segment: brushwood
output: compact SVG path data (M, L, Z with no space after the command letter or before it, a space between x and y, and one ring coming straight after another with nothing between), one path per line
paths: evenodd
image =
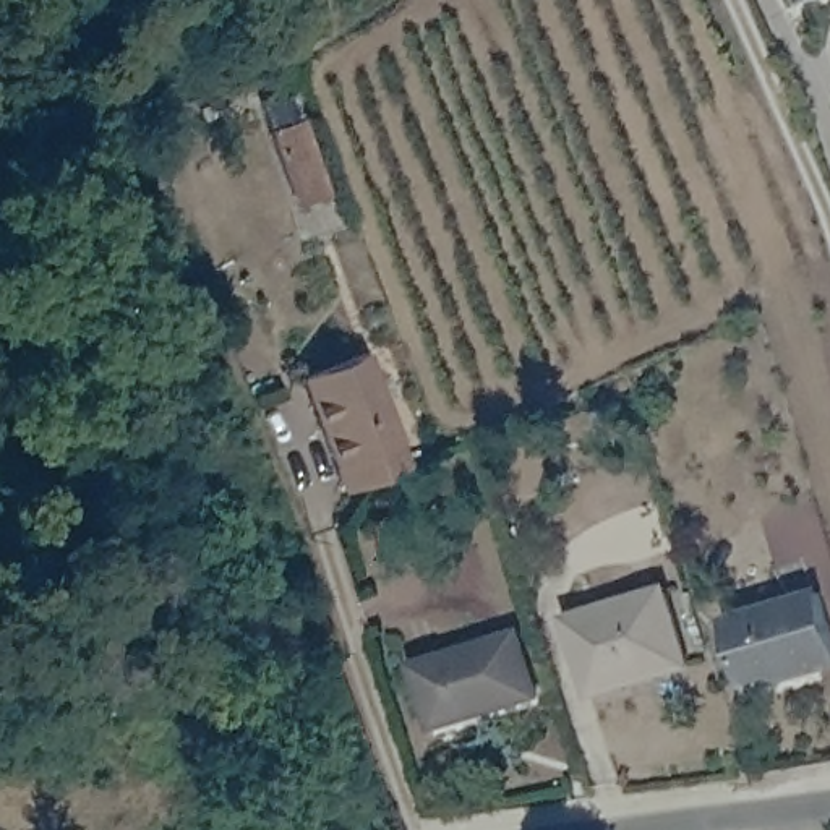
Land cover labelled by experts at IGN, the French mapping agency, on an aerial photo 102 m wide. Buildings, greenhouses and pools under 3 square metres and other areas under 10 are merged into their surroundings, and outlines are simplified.
M707 340L704 327L655 344L616 363L600 379L571 386L571 415L597 415L606 405L626 402L629 396L623 389L632 389L645 370L661 370L665 379L674 386L681 376L671 373L671 363L681 360L681 347Z
M279 68L292 68L302 62L308 62L311 68L327 52L347 45L350 39L389 19L409 0L314 0L311 13L305 13L305 39L298 39L292 55L276 55Z
M363 652L373 668L373 681L386 707L386 723L409 781L415 775L421 768L421 755L412 746L399 704L399 691L409 684L405 655L405 645L412 639L402 629L363 626Z
M807 139L807 146L814 149L817 162L820 162L820 165L824 165L824 169L830 172L830 130L824 126L824 130L817 130L814 130L814 133L811 133Z
M775 755L762 755L762 765L768 772L820 762L830 765L830 746L814 749L811 736L798 733L794 749L781 749Z
M704 781L729 781L746 775L733 749L707 749L700 768L629 778L623 788L635 794L687 788Z
M409 499L392 486L350 496L344 496L334 509L337 528L353 590L360 600L370 597L376 593L376 584L373 577L366 577L357 538L370 535L376 541L383 538L383 522L389 522L402 506L409 506Z
M321 159L334 185L334 204L344 224L360 224L360 204L350 191L331 126L318 107L305 107L308 123L314 130Z
M230 415L250 425L263 415L272 418L276 409L289 399L289 392L256 392L243 405L233 402Z
M791 720L830 723L830 674L817 684L785 691Z
M535 668L535 697L541 697L545 691L561 687L554 655L548 661L538 661Z
M587 794L593 794L593 775L580 749L564 762L564 772L548 778L551 788L522 791L522 798L512 801L512 807L525 811L545 801L567 804L574 781L587 788Z
M464 441L454 444L454 438L444 434L434 421L425 389L412 370L409 344L396 334L392 311L386 302L360 305L363 331L357 337L363 340L366 353L370 353L373 347L392 350L402 379L402 396L412 405L412 415L418 418L418 444L421 457L415 460L415 467L425 470L434 460L441 460L441 470L454 473L457 464L477 460L470 444Z

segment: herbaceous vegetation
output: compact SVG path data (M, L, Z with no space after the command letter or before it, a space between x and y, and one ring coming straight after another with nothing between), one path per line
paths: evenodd
M62 55L62 62L55 65L58 71L97 71L104 58L120 55L123 29L143 26L146 16L156 13L156 0L107 0L107 13L81 26L81 42Z
M376 584L376 593L370 597L376 610L363 626L402 629L412 639L405 645L405 655L418 658L493 632L512 632L519 626L516 616L509 616L509 584L503 577L490 522L477 522L460 567L447 571L444 580L434 584L421 584L418 574L392 577L379 564L376 541L370 535L357 538L366 577L373 577Z
M558 736L545 733L545 739L532 752L525 752L528 772L506 772L509 788L503 798L512 801L522 798L522 791L551 788L548 778L564 772L564 762Z
M19 564L23 574L39 574L45 584L55 580L58 590L71 590L75 577L88 574L84 545L110 538L117 522L133 512L133 506L156 503L156 493L133 490L126 480L113 480L104 470L68 473L65 467L49 467L39 454L26 451L19 460L19 477L29 496L45 503L45 496L55 496L55 490L71 493L81 503L84 519L71 528L65 545L55 548L39 545L36 532L26 532L19 519L0 512L0 564Z
M81 126L81 120L29 117L23 130L0 130L0 211L10 198L32 198L36 191L49 191L58 178L62 162L68 162L78 149L94 152L94 130Z
M811 736L814 749L830 746L830 723L791 720L785 691L772 691L768 726L781 733L781 749L794 749L798 733Z
M29 269L32 250L29 237L13 233L0 214L0 272Z
M139 781L133 788L71 788L62 804L45 791L32 794L32 785L0 788L0 830L162 830L165 798L156 781Z
M486 78L486 91L499 117L509 117L512 110L499 91L490 52L503 49L509 55L516 88L525 101L545 159L554 172L558 195L567 208L567 217L574 220L577 240L590 266L590 279L577 279L577 272L571 269L561 227L551 217L548 201L541 198L528 149L522 146L522 139L509 143L535 217L548 233L548 246L574 298L571 305L564 305L558 298L551 276L538 279L545 302L554 311L551 327L541 318L532 285L522 285L522 298L528 302L528 314L548 350L548 363L522 357L516 376L496 370L493 347L486 344L486 334L473 318L464 279L457 272L454 243L444 230L441 208L434 201L421 162L412 152L402 113L392 104L379 75L379 49L392 49L405 78L405 91L431 146L431 156L444 175L447 198L457 211L490 308L499 318L509 350L522 353L525 337L506 298L506 282L486 246L486 233L477 217L473 198L464 188L451 143L438 123L438 110L421 84L415 55L405 45L402 32L405 23L434 19L444 3L451 3L460 16L460 26L473 45L477 65ZM554 418L564 418L567 460L541 464L538 457L519 454L512 460L512 477L516 496L528 503L535 499L541 477L554 480L571 473L574 496L567 499L558 519L564 522L567 541L619 512L642 509L642 516L652 516L658 509L648 480L610 473L603 470L603 460L597 454L580 451L584 438L593 431L597 415L571 415L571 386L600 379L616 363L655 344L704 327L736 295L752 295L762 302L759 327L746 340L746 347L733 350L726 337L707 340L681 347L681 360L671 363L671 373L681 376L674 386L674 409L668 412L665 425L652 431L655 457L661 473L674 486L674 499L681 503L671 519L710 532L713 545L707 545L707 551L697 554L697 564L717 574L726 600L729 600L739 587L746 587L733 577L726 564L729 541L742 532L742 522L755 522L765 532L772 554L768 577L814 571L814 590L830 606L830 230L824 233L817 224L814 204L794 169L791 149L759 84L749 94L733 88L726 62L717 49L713 32L707 29L697 0L681 0L700 58L713 81L713 101L707 101L697 88L694 68L678 39L678 26L665 0L652 0L665 39L678 58L687 94L697 107L713 162L733 198L736 217L742 220L752 243L749 256L736 259L726 220L694 156L687 130L681 123L678 101L668 88L652 39L639 19L635 0L613 0L623 32L648 84L668 146L678 159L678 169L691 188L710 246L717 253L720 276L707 279L694 240L681 224L674 191L652 146L642 107L632 88L626 84L623 65L616 58L597 0L577 0L600 58L600 71L613 84L616 107L629 130L635 159L645 169L648 188L658 201L671 243L681 253L691 282L691 302L681 305L665 272L661 250L655 246L648 224L642 220L639 198L616 149L613 130L603 110L597 107L593 84L577 58L574 39L554 0L535 0L538 16L554 42L558 62L567 75L571 94L587 123L590 146L606 172L610 191L619 201L626 233L635 243L635 253L642 259L642 269L648 272L648 285L658 305L655 318L629 324L613 292L610 269L597 250L587 204L580 201L567 175L567 162L541 113L538 91L525 75L522 52L496 0L409 0L389 19L350 39L347 45L327 52L311 68L318 107L331 126L350 191L360 204L360 224L344 224L334 233L334 246L340 253L347 289L357 308L344 314L344 305L337 298L318 311L295 308L292 269L302 259L324 256L321 240L302 240L295 230L295 220L305 211L298 208L298 198L289 191L269 133L259 94L240 94L230 104L220 101L214 91L208 101L182 107L198 123L240 117L246 159L243 175L227 172L220 152L211 146L204 133L195 139L185 169L175 175L175 182L169 178L159 185L152 175L139 172L143 198L162 201L165 195L172 195L175 208L182 211L182 220L198 227L204 253L188 263L182 285L208 289L217 305L237 295L246 308L250 340L243 350L230 350L227 357L227 389L233 402L243 405L256 392L289 392L289 399L276 409L272 418L263 415L250 425L253 434L263 438L276 431L279 447L272 451L272 473L279 486L289 493L295 525L305 532L308 545L318 535L331 535L337 528L334 509L344 496L350 496L344 490L340 460L327 457L324 444L318 441L314 415L308 409L302 383L321 373L347 370L366 353L363 340L357 337L363 331L360 305L386 302L392 311L396 334L409 344L412 370L425 389L434 421L444 434L454 438L454 444L464 441L480 428L503 425L506 418L525 425L548 425ZM331 88L324 84L327 71L340 78L347 113L353 117L353 126L363 139L370 172L379 191L389 191L389 172L379 159L373 126L360 107L353 78L357 68L366 68L373 81L373 94L386 120L392 149L412 185L415 208L425 220L431 246L438 250L444 279L451 282L451 292L457 298L457 311L477 350L483 383L490 386L483 392L470 389L470 379L451 337L451 321L441 308L431 272L425 269L425 259L415 246L402 204L389 204L409 269L425 295L428 318L438 331L441 353L454 376L454 405L447 405L444 392L438 389L438 376L425 353L425 340L415 324L409 295L392 266L392 253L379 233L376 204L366 195L337 104L331 97ZM752 464L736 447L736 441L742 447L752 444L755 438L762 438L762 431L781 431L781 454L772 464Z
M671 551L661 554L652 567L632 574L626 574L623 567L587 571L571 593L561 593L561 610L577 610L629 590L658 587L681 655L674 674L687 678L697 687L697 723L678 729L661 720L661 697L671 678L632 684L626 697L606 697L597 707L606 752L623 788L629 778L700 768L707 749L733 749L729 713L736 694L742 694L746 687L739 681L729 681L736 674L736 665L729 661L729 652L717 652L713 619L723 613L723 606L700 603L691 593L684 593Z
M444 742L438 729L421 729L412 717L409 684L399 691L399 704L412 746L421 755L421 768L415 775L441 775L457 762L486 762L493 768L506 768L503 752L496 746L477 746L470 729Z

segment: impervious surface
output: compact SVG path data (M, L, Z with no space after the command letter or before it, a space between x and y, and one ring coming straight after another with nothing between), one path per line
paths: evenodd
M308 123L305 107L282 104L272 91L259 94L269 133Z
M344 224L334 204L314 204L311 211L305 211L295 220L295 230L302 240L321 240L324 256L331 259L337 279L337 298L344 305L344 314L357 308L347 289L340 253L334 246L334 233Z
M817 130L824 130L824 126L830 130L830 62L804 49L804 10L798 6L798 3L785 3L785 0L762 0L762 10L778 39L788 42L791 58L807 78Z
M814 571L768 577L772 554L765 532L755 522L742 522L742 532L729 541L726 564L733 577L746 587L739 587L729 600L733 606L746 606L791 590L814 590Z
M830 830L830 788L820 794L691 807L626 820L600 820L593 811L567 804L545 801L525 811L522 830Z
M402 379L392 350L373 347L370 353L389 376L389 392L409 444L418 444L418 418L412 415L412 405L402 396Z

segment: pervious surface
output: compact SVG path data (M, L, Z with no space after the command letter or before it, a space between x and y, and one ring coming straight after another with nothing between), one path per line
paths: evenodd
M820 794L830 788L830 765L820 762L768 772L759 781L746 775L729 781L704 781L687 788L635 794L623 788L606 752L597 707L584 700L571 710L580 749L593 775L593 794L587 794L587 788L574 781L567 804L593 811L600 820L626 820L691 807Z
M318 574L324 577L334 600L334 629L347 648L344 671L363 713L366 739L396 798L405 830L522 830L525 811L512 807L460 820L428 820L415 811L409 781L386 723L386 707L373 681L373 668L363 652L363 626L376 610L370 597L360 600L353 590L337 528L331 535L318 535L308 545Z
M661 554L671 551L668 528L661 525L658 509L652 516L642 516L642 509L619 512L567 541L561 574L541 577L538 587L538 613L548 632L561 623L561 610L561 593L571 593L587 571L623 567L626 574L632 574L652 567Z
M791 130L781 101L781 78L775 68L768 68L768 45L778 39L762 10L762 0L723 0L726 19L736 29L736 39L759 84L791 149L794 169L814 204L817 224L824 233L830 230L830 172L824 169L824 165L820 165L820 162L817 162L814 149L807 146L807 139L801 139Z

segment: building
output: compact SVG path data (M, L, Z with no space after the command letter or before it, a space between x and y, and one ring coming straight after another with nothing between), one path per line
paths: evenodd
M597 707L606 697L626 697L632 684L671 678L674 674L681 655L658 587L629 590L577 610L561 610L561 623L548 632L554 655L561 687L571 710L584 700Z
M830 674L830 606L814 590L791 590L746 606L733 606L729 600L726 600L723 606L723 613L713 619L717 652L729 652L729 661L736 665L736 674L729 681L739 681L746 687L762 681L772 691L785 691L817 684Z
M470 729L496 710L499 717L506 717L519 710L535 710L541 697L535 697L535 668L522 645L519 626L512 632L493 632L418 658L405 655L409 684L412 717L421 729L438 729L444 742Z
M830 3L830 0L785 0L785 3L798 3L798 6L804 10L811 6L811 3Z
M412 473L415 467L415 460L421 457L418 444L409 444L389 392L389 376L370 353L366 353L347 370L321 373L302 383L308 409L314 415L318 441L324 444L327 457L340 460L344 490L350 496L392 486L402 473Z
M314 204L334 204L334 185L321 159L314 130L308 123L269 133L289 191L298 198L298 208L305 211L311 211Z

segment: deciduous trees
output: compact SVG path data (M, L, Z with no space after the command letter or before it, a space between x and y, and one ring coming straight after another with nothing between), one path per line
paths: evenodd
M723 606L726 600L717 574L697 564L697 554L707 551L707 545L713 545L710 532L671 519L681 503L674 499L674 486L661 473L655 457L652 431L665 425L668 412L674 409L674 386L665 379L661 370L645 370L632 389L623 389L629 396L626 402L606 405L597 415L593 431L584 438L580 451L597 454L603 460L603 470L610 473L648 480L658 509L661 525L668 528L671 551L684 593L691 593L700 603Z
M817 130L807 78L791 58L788 42L778 39L768 45L768 68L775 68L781 78L781 101L791 130L801 139L807 139L811 133L814 133L814 130Z
M830 62L830 3L811 3L811 6L804 10L804 49Z
M762 755L775 755L781 749L781 733L768 726L772 691L762 681L746 687L742 694L736 694L729 713L733 749L746 775L759 781L768 772L762 765Z
M671 678L661 697L661 720L678 729L697 723L697 687L687 678L674 674Z
M619 201L610 191L606 172L590 146L587 123L571 94L567 75L558 62L554 42L538 16L535 0L496 0L522 52L525 75L538 91L541 113L567 162L567 175L580 201L587 204L597 250L610 269L613 292L629 324L655 318L658 305L648 285L648 272L642 269L642 259L635 253L635 243L626 233Z
M755 438L752 444L742 447L736 441L736 447L752 464L772 464L781 454L781 431L762 431L762 438Z
M736 259L749 256L752 243L742 220L736 217L733 198L713 162L697 107L687 94L678 58L665 39L652 0L635 0L639 19L652 39L668 88L678 101L681 123L687 130L694 156L726 220Z
M691 188L678 169L678 159L668 146L648 84L623 32L613 0L597 0L616 58L623 65L626 84L632 88L642 107L652 146L674 191L681 224L694 240L707 279L720 276L717 253L710 246Z
M503 798L509 788L506 772L528 772L525 752L532 752L545 739L545 733L558 736L564 762L580 749L571 710L561 687L545 691L541 697L535 710L519 710L506 717L499 717L496 710L470 729L477 746L496 746L503 752L506 768L493 768L486 762L457 762L441 775L415 775L409 781L415 811L428 820L460 820L512 807L512 801Z
M477 460L457 464L454 473L441 470L441 460L434 460L425 470L415 467L412 473L402 473L392 486L409 499L409 506L402 506L389 522L383 522L383 538L376 541L379 564L392 577L418 574L421 584L434 584L444 580L447 571L460 567L477 522L490 522L503 577L509 584L509 616L516 616L519 626L522 645L535 668L538 661L548 661L554 655L548 632L538 613L538 587L541 577L561 574L567 541L564 522L558 519L567 499L574 496L571 473L554 480L541 477L535 499L528 503L516 496L512 477L512 460L519 454L538 457L541 464L567 460L564 418L554 418L548 425L525 425L506 418L503 425L480 428L464 441L470 444Z
M143 198L139 172L152 175L159 185L169 178L175 182L175 175L185 169L195 139L204 133L211 146L220 152L227 172L243 175L246 159L240 117L198 123L182 107L208 101L214 91L220 101L230 104L240 94L259 94L272 91L282 104L305 107L318 107L311 68L308 62L302 62L292 68L279 68L276 55L292 55L298 39L305 39L305 13L311 13L314 0L156 0L156 13L146 16L143 26L123 29L120 55L104 58L97 71L58 71L55 65L62 62L62 55L81 42L81 26L107 13L107 0L0 0L0 130L23 130L29 117L81 120L81 126L94 130L94 152L78 149L68 162L62 162L58 178L49 191L36 191L32 198L10 198L0 211L0 214L13 233L29 237L32 250L29 269L0 272L0 512L19 519L26 532L36 532L39 545L55 548L65 545L71 528L84 519L81 503L71 493L55 490L55 496L45 496L45 503L29 496L19 477L19 460L26 451L39 454L49 467L65 467L68 473L104 470L113 480L126 480L133 490L156 493L156 503L133 506L133 512L117 522L110 538L84 545L88 574L75 577L71 590L58 590L55 580L45 584L39 574L23 574L19 564L0 564L0 788L32 785L32 794L45 791L62 804L71 788L133 788L139 781L156 781L165 798L162 830L405 830L396 798L366 739L363 713L344 671L347 648L334 629L334 600L324 577L318 574L308 545L305 532L295 525L289 493L279 486L272 473L272 451L279 447L276 431L263 438L253 434L250 425L230 415L233 402L227 389L227 357L230 350L243 350L250 340L246 308L237 295L217 305L208 289L182 285L188 263L204 253L198 227L182 220L182 211L175 208L172 195L165 195L162 201Z
M691 282L681 253L671 243L658 201L648 188L645 169L635 159L629 130L616 107L613 84L600 71L600 58L577 0L554 0L574 39L577 58L593 84L597 107L603 110L613 130L616 149L639 198L642 220L648 224L655 246L661 250L665 272L681 305L691 302Z
M318 311L337 298L337 279L331 259L324 256L302 259L292 269L295 308Z
M431 146L405 91L405 78L392 49L379 49L379 75L392 104L402 113L412 152L421 162L434 201L441 208L444 230L454 243L457 272L464 279L473 318L486 334L486 344L493 347L496 370L516 376L522 357L548 363L548 350L528 314L528 302L522 298L522 285L532 285L541 318L551 327L554 311L545 302L538 279L551 276L558 298L564 305L571 305L574 298L548 246L548 233L535 217L509 143L522 139L522 146L528 149L541 198L548 201L551 217L561 227L571 269L577 272L577 279L590 279L590 266L577 240L574 220L567 217L567 208L558 195L554 172L545 159L525 101L516 88L509 55L503 49L490 52L499 91L512 110L509 117L499 117L486 91L486 78L477 65L473 45L460 26L460 16L451 3L444 3L434 19L405 23L402 32L405 45L415 55L421 84L438 110L438 123L451 143L464 188L473 198L477 217L486 233L486 246L506 282L506 298L525 337L522 353L509 350L499 318L490 308L457 211L447 198L444 175L431 156Z
M713 32L717 49L726 62L733 88L749 94L759 84L736 39L736 29L726 19L723 0L697 0L707 29Z
M678 39L694 68L697 88L707 101L713 101L713 81L700 58L681 0L665 0L678 26Z
M759 327L762 302L752 295L736 295L704 327L707 340L726 337L733 350L746 347L746 340Z
M376 204L379 233L392 253L392 266L409 295L415 324L425 340L425 353L438 376L438 389L444 392L447 405L454 405L454 376L441 353L438 331L428 318L425 295L409 269L389 204L402 204L415 246L425 259L425 269L431 272L441 308L451 321L451 337L470 379L470 389L483 392L490 386L483 383L477 350L457 311L457 298L451 292L451 282L444 279L438 250L431 246L425 220L415 208L412 185L392 149L386 120L373 94L373 81L366 68L357 68L353 78L360 107L373 126L379 159L389 172L389 191L379 191L370 172L363 139L353 126L353 117L347 113L340 78L327 71L324 84L331 88L331 97L337 104L366 195Z

